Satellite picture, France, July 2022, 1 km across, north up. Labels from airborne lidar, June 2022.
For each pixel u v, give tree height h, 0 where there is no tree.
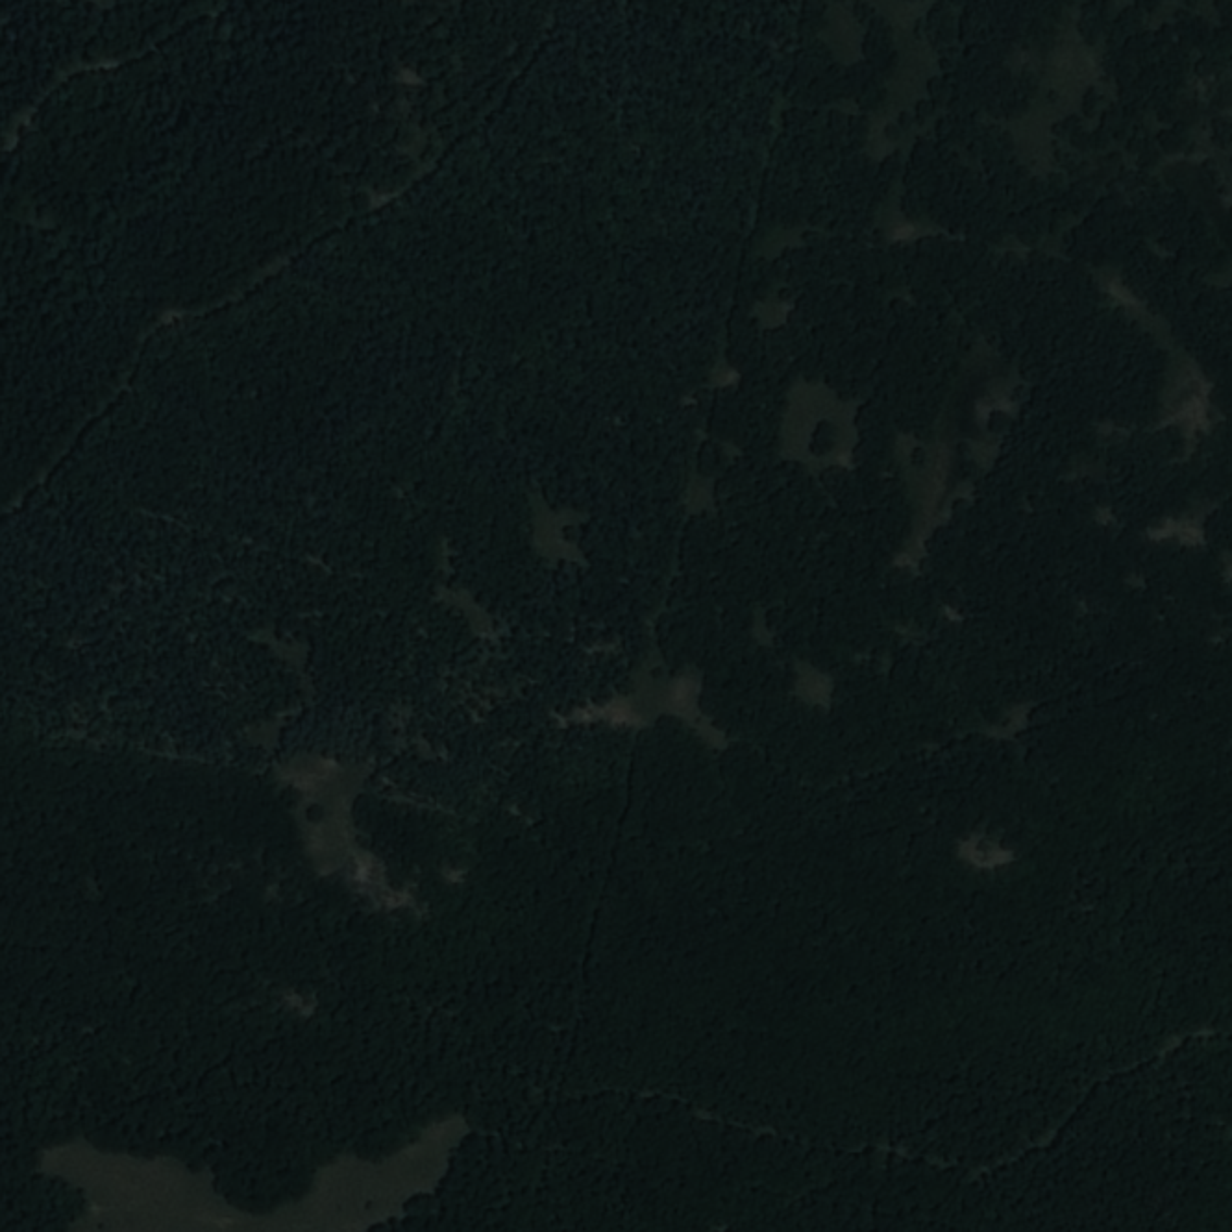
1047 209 8
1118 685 12
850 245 10
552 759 10
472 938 14
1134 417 7
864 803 13
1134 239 9
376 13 11
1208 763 10
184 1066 16
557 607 11
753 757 10
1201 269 6
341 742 14
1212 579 9
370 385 10
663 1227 18
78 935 13
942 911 12
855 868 10
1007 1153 11
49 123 11
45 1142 9
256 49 14
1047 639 9
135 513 9
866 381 10
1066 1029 12
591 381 11
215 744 14
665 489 12
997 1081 11
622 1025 14
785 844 10
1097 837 13
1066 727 11
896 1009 13
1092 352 10
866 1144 14
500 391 9
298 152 11
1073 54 0
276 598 10
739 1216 16
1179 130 8
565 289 13
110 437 14
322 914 13
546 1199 15
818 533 11
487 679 10
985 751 12
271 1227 0
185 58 14
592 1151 15
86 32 17
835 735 10
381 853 7
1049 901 11
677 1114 17
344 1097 15
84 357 14
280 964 13
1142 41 9
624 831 11
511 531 11
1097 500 7
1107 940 11
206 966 11
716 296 17
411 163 11
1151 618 9
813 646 11
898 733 11
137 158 10
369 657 9
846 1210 15
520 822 12
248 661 9
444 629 10
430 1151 0
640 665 9
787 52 10
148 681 11
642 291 17
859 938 9
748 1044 16
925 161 11
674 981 14
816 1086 13
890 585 9
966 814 10
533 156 13
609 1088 12
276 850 9
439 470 12
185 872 8
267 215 11
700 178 13
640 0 13
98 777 12
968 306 12
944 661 10
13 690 14
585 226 14
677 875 11
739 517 9
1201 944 12
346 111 11
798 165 10
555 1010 18
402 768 12
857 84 11
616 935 13
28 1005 13
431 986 8
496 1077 17
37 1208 13
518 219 11
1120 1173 13
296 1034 12
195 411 15
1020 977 15
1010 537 13
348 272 13
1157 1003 10
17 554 15
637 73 18
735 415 10
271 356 14
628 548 17
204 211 11
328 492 9
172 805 10
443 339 16
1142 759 9
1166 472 8
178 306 9
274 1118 17
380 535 11
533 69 13
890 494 10
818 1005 12
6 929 13
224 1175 13
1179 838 10
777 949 13
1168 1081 13
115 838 13
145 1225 0
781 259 6
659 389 11
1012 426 6
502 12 11
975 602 10
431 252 13
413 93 9
